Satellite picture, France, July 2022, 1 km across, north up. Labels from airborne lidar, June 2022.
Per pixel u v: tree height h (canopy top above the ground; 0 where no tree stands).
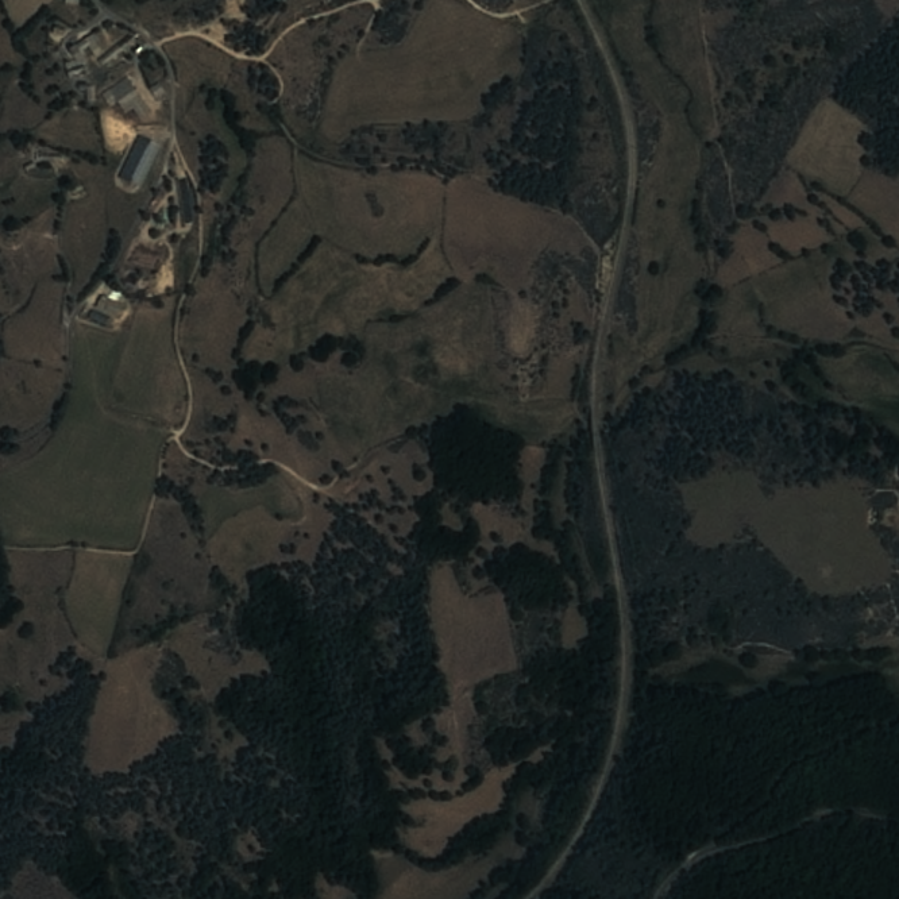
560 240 0
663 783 12
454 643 0
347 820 22
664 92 0
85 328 0
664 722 10
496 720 8
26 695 0
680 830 10
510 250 0
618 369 0
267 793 30
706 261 0
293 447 0
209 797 18
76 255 0
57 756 18
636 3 0
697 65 0
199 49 0
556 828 9
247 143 17
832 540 0
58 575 0
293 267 10
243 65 0
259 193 0
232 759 0
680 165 0
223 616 15
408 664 16
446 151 0
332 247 0
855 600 9
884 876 13
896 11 0
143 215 14
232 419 12
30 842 22
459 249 0
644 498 0
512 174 20
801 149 0
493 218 0
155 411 0
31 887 0
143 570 0
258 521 0
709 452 13
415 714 16
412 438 7
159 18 0
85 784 18
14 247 0
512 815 14
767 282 0
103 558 0
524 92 0
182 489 11
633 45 0
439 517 16
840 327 0
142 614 0
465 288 0
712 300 22
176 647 0
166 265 0
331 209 0
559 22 0
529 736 16
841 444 19
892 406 0
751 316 0
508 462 17
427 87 0
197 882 21
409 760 12
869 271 15
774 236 0
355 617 13
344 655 12
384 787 22
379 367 0
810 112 0
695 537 0
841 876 19
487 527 0
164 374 0
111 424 0
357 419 0
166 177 8
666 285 0
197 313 0
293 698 17
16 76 0
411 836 0
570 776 6
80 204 0
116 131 0
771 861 17
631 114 0
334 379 0
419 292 0
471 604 0
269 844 17
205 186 15
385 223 0
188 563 0
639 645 11
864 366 0
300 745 26
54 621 0
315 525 0
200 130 0
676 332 0
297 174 0
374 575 20
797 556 0
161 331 0
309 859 18
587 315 0
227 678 0
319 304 0
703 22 0
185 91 0
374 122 0
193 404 0
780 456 0
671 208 0
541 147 21
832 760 17
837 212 0
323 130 0
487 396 0
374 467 0
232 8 0
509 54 0
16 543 0
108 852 19
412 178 0
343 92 0
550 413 0
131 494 0
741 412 14
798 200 0
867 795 17
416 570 18
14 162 0
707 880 15
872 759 14
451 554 16
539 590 16
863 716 17
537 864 15
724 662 0
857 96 18
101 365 0
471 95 0
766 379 0
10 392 0
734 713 19
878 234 7
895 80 20
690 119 0
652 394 15
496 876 13
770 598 9
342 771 20
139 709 0
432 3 0
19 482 0
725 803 16
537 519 11
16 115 0
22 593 0
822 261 0
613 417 22
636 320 0
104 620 0
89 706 18
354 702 16
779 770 14
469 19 0
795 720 18
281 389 0
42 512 0
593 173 0
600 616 19
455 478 14
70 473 0
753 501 0
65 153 11
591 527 0
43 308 0
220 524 0
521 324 0
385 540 14
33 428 0
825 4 0
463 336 0
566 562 16
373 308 0
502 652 0
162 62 8
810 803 15
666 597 13
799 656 19
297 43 0
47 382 0
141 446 0
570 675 9
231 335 0
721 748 13
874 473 10
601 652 16
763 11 0
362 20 0
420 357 0
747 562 0
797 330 0
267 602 18
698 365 0
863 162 11
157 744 0
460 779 0
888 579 0
